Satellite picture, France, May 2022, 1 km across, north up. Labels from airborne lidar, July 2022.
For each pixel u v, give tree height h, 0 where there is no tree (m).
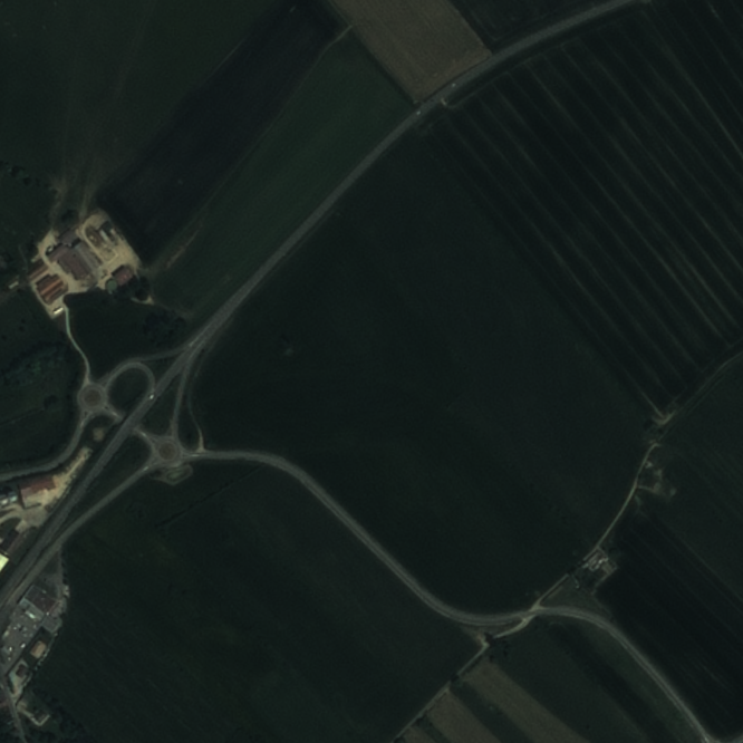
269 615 0
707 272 0
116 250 0
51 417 0
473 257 0
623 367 0
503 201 0
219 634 0
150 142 0
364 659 0
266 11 0
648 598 0
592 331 0
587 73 0
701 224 0
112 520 0
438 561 0
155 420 0
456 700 0
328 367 0
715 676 0
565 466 0
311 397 0
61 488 0
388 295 0
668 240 0
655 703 0
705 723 0
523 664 0
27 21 0
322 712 0
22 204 0
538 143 0
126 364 0
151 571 0
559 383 0
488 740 0
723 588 0
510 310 0
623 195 0
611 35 0
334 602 0
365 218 0
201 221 0
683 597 0
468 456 0
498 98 0
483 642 0
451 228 0
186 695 0
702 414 0
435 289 0
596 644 0
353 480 0
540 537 0
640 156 0
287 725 0
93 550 0
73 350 7
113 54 0
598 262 0
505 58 0
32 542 0
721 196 0
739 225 0
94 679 0
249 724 0
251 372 0
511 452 0
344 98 0
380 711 0
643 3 0
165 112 0
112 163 0
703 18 0
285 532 0
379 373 0
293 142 0
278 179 0
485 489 0
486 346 0
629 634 0
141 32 0
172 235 0
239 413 0
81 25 0
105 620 0
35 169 0
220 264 0
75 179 0
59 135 0
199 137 0
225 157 0
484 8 0
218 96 0
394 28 0
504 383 0
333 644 0
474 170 0
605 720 0
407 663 0
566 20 0
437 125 0
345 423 0
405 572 0
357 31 0
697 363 0
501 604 0
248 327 0
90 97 0
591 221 0
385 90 0
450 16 0
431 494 0
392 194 0
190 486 0
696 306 0
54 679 0
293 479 0
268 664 0
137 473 0
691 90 0
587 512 0
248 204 0
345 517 0
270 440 0
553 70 0
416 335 0
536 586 0
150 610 0
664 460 0
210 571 0
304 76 0
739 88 0
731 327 0
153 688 0
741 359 0
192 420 0
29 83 0
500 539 0
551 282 0
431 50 0
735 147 0
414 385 0
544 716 0
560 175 0
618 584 0
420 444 0
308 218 0
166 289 0
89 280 0
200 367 0
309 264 0
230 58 0
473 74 0
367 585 0
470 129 0
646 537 0
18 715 0
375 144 0
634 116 0
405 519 0
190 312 0
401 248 0
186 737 0
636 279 0
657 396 0
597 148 0
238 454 0
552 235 0
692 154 0
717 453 0
